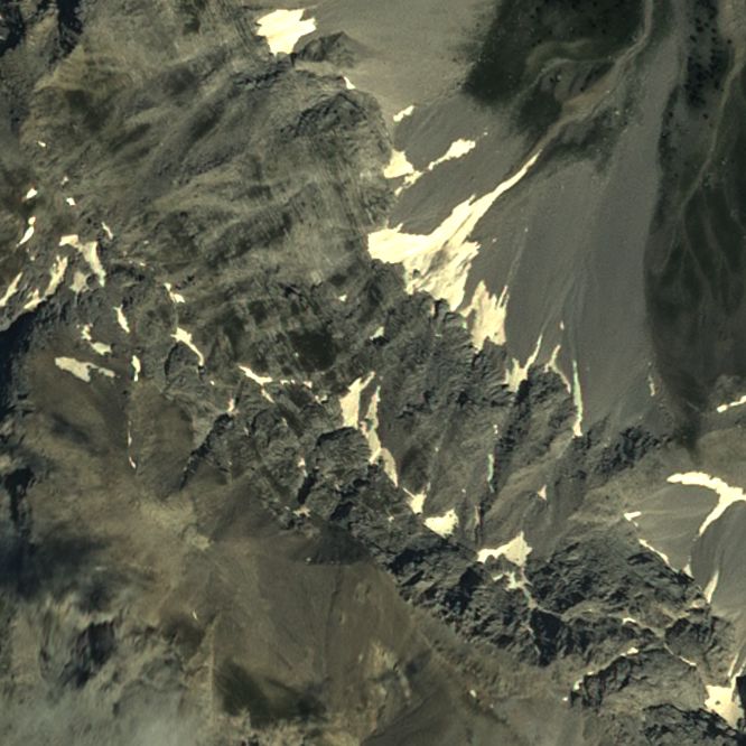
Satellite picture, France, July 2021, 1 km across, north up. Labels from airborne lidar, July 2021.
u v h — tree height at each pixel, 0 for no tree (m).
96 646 0
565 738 0
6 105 0
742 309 0
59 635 0
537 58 0
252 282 0
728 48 0
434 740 0
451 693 0
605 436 0
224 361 0
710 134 0
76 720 0
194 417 0
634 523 0
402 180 0
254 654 0
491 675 0
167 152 0
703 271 0
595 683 0
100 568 0
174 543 0
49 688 0
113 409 0
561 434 0
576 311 0
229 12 0
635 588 0
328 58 0
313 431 0
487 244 0
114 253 0
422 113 0
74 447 0
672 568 0
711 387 0
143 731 0
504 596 0
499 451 0
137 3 0
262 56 0
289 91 0
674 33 0
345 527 0
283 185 0
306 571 0
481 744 0
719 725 0
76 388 0
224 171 0
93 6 0
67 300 0
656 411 0
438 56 0
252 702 0
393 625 0
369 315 0
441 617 0
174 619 0
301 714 0
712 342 0
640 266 0
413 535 0
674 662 0
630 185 0
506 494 0
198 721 0
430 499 0
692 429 0
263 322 0
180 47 0
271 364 0
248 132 0
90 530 0
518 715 0
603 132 0
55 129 0
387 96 0
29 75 0
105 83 0
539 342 0
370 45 0
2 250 0
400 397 0
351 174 0
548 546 0
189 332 0
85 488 0
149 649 0
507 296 0
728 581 0
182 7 0
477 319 0
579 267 0
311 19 0
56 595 0
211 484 0
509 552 0
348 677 0
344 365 0
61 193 0
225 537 0
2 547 0
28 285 0
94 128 0
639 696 0
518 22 0
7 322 0
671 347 0
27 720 0
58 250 0
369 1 0
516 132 0
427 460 0
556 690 0
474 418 0
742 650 0
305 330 0
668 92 0
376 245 0
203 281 0
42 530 0
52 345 0
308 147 0
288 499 0
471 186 0
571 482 0
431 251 0
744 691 0
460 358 0
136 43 0
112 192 0
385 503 0
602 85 0
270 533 0
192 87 0
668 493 0
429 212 0
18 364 0
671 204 0
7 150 0
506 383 0
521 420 0
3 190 0
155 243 0
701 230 0
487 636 0
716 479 0
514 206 0
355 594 0
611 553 0
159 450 0
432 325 0
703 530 0
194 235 0
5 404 0
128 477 0
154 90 0
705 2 6
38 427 0
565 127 0
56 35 0
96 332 0
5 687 0
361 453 0
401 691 0
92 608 0
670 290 0
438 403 0
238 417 0
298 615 0
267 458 0
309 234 0
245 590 0
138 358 0
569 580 0
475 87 0
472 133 0
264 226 0
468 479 0
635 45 0
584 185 0
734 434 0
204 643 0
